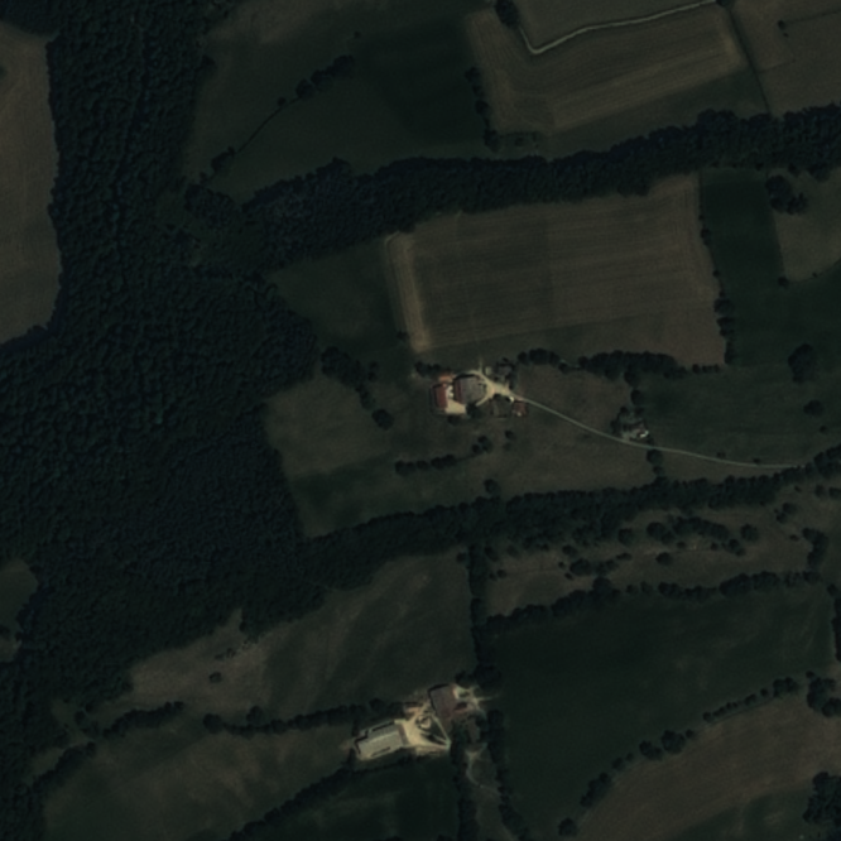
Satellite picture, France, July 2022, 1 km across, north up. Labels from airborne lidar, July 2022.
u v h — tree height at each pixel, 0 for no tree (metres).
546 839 0
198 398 28
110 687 13
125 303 30
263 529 18
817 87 0
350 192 24
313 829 0
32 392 35
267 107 0
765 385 0
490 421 0
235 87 0
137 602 25
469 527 25
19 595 0
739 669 0
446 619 0
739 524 0
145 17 21
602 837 0
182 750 0
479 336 0
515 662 0
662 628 0
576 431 0
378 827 0
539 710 0
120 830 0
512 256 0
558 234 0
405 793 0
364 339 0
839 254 0
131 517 27
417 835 0
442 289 0
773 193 22
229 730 10
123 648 16
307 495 0
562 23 0
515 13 20
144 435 27
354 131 0
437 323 0
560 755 0
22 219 0
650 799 0
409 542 19
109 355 28
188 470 23
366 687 0
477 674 12
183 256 18
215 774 0
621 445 0
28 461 21
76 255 23
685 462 0
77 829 0
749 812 0
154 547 32
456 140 0
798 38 0
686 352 0
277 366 22
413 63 0
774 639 0
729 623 0
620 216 0
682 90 0
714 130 29
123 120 28
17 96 0
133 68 29
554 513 24
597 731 0
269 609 7
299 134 0
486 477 0
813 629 0
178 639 18
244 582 19
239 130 0
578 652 0
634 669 0
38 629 29
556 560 0
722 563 0
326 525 0
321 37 0
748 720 0
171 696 0
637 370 23
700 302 0
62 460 16
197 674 0
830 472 22
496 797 0
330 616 0
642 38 0
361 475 0
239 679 0
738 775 0
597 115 0
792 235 0
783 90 0
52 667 27
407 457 0
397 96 0
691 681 0
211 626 15
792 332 0
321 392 0
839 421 0
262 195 0
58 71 24
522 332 0
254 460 18
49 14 24
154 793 0
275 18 0
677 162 23
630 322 0
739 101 0
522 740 0
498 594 0
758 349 0
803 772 0
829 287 0
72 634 23
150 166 30
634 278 0
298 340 26
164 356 31
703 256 0
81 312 26
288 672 0
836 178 0
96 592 26
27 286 0
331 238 19
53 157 0
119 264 30
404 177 35
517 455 0
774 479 6
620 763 12
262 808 0
